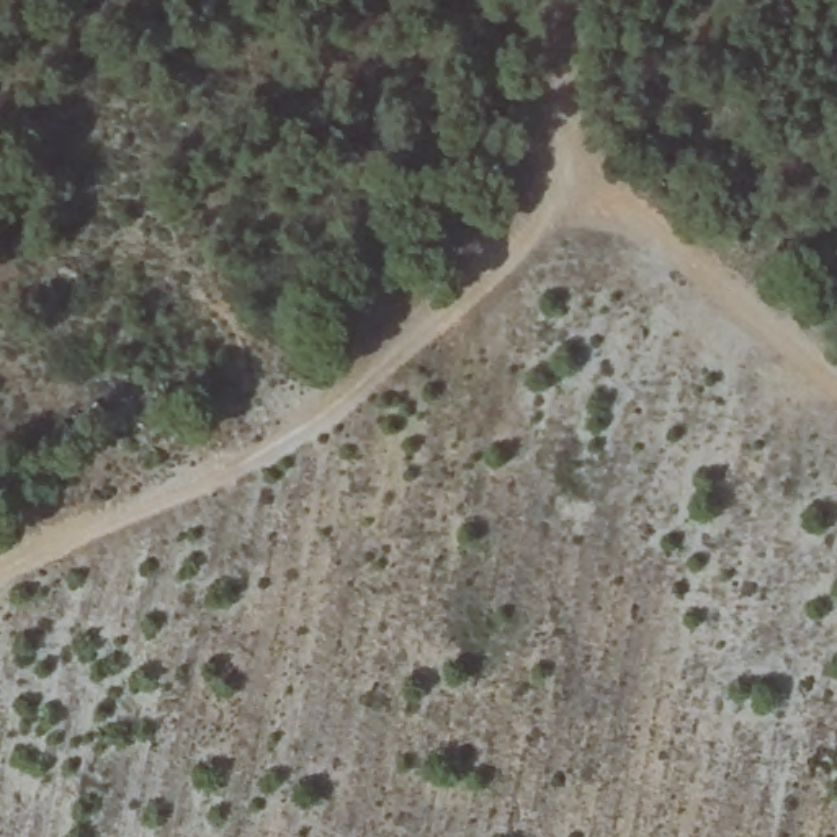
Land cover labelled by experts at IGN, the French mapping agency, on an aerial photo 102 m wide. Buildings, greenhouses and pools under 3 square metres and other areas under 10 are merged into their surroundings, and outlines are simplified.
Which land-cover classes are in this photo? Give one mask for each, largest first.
<instances>
[{"label":"agricultural land","instance_id":"1","mask_svg":"<svg viewBox=\"0 0 837 837\"><path fill-rule=\"evenodd\" d=\"M624 248H634L631 239L598 229H553L523 258V265L504 284H497L458 327L445 330L415 360L402 363L389 376L386 389L360 402L343 422L320 432L314 441H304L294 454L278 458L271 468L242 474L235 487H219L206 497L186 500L180 507L121 526L118 533L92 539L72 549L69 556L43 569H33L23 582L13 585V602L0 608V837H837V402L778 399L775 405H768L759 396V376L736 379L729 373L723 376L716 369L700 366L703 347L693 340V330H670L664 337L651 327V311L664 301V284H638L634 262H624L621 255Z\"/></svg>","mask_w":837,"mask_h":837},{"label":"herbaceous vegetation","instance_id":"2","mask_svg":"<svg viewBox=\"0 0 837 837\"><path fill-rule=\"evenodd\" d=\"M435 7L432 0H340L320 7L304 23V39H291L288 33H278L271 39H245V62L232 69H213L209 82L203 85H183L167 78L163 98L131 85L124 75H118V69H95L88 78L75 85L72 95H62L52 105H16L0 95V553L16 546L26 536V530L52 520L65 507L95 510L98 504L114 497H137L154 481H167L173 464L196 468L206 461L209 451L229 448L235 438H242L245 445H262L275 438L281 432V422L291 415V399L304 386H337L360 356L376 353L386 340H392L402 330L409 311L419 301H428L432 307H451L468 284H474L484 271L497 268L507 258L513 219L533 213L546 193L553 170V134L562 128L569 114H575V88H553L546 82L539 98L523 101L526 118L520 124L497 118L494 124H487L484 82L471 69H464V52L454 46V29L425 26ZM114 255H137V262L147 268V278H154L157 288H170L177 281V271L190 275V298L199 304L203 317L216 320L219 333L206 340L203 376L216 383V389L222 392V425L216 435L203 428H173L170 422H163L160 405L167 396L144 409V396L134 383H114L111 396L98 402L92 396V386L85 383L49 379V343L72 333H85V327L92 324H105L118 307V298H105L85 314H69V281L88 271L95 262H114ZM719 255L726 268L739 271L749 281L759 265L739 239H716L709 248Z\"/></svg>","mask_w":837,"mask_h":837},{"label":"coniferous trees","instance_id":"3","mask_svg":"<svg viewBox=\"0 0 837 837\"><path fill-rule=\"evenodd\" d=\"M340 0H0V95L16 105H52L62 95H72L75 85L88 78L95 69H118V75H124L131 85L163 98L167 78L183 85H203L209 82L213 69H232L245 62V39H271L278 33H288L291 39H304V23L320 7ZM435 7L425 26L454 29V46L464 52V69H471L484 82L487 124H494L497 118L520 124L526 118L523 101L539 98L546 82L553 88H575V114L582 118L585 150L605 157V177L615 183H628L634 193L647 196L670 222L680 242L709 248L716 239H739L759 265L749 281L768 307L788 311L798 320V327H817L824 337V356L837 366V0H432ZM222 392L216 389V383L203 376L186 379L180 392L167 396L160 405L163 422H170L173 428H203L216 435L222 425Z\"/></svg>","mask_w":837,"mask_h":837},{"label":"pervious surface","instance_id":"4","mask_svg":"<svg viewBox=\"0 0 837 837\"><path fill-rule=\"evenodd\" d=\"M553 229H598L631 239L634 248H624L621 255L624 262H634L638 284H664V301L651 311V327L664 337L670 330H693V340L703 347L700 366L716 369L723 376L729 373L736 379L759 376V396L768 405H775L778 399L837 402V366L824 356V337L817 327H798V320L788 311L768 307L749 281L739 271L726 268L719 255L709 248L680 242L670 222L647 196L634 193L628 183H615L605 177V157L585 150L582 118L575 114H569L562 128L553 134V170L546 193L533 213L513 219L507 258L497 268L484 271L474 284H468L451 307H432L428 301H419L409 311L402 330L392 340H386L376 353L360 356L337 386H304L291 399V415L281 422V432L275 438L262 445H245L242 438H235L229 448L209 451L206 461L196 468L173 464L167 481H154L137 497H114L98 504L95 510L65 507L52 520L26 530V536L16 546L0 553V608L13 602V585L23 582L33 569H43L69 556L72 549L92 539L118 533L121 526L180 507L186 500L206 497L219 487H235L242 474L271 468L278 458L294 454L304 441H314L320 432L343 422L360 402L386 389L389 376L402 363L415 360L445 330L458 327L497 284H504L523 265V258Z\"/></svg>","mask_w":837,"mask_h":837},{"label":"brushwood","instance_id":"5","mask_svg":"<svg viewBox=\"0 0 837 837\"><path fill-rule=\"evenodd\" d=\"M69 314H85L105 298H118V307L105 324H92L85 327V333H72L49 343V379L85 383L92 386V396L98 402L111 396L114 383H134L144 396V409L167 396L180 392L186 379L203 376L206 340L219 333L216 320L203 317L199 304L190 298V275L177 271V281L170 288H157L154 278H147V268L137 262V255H114V262H95L88 271L69 281Z\"/></svg>","mask_w":837,"mask_h":837}]
</instances>
